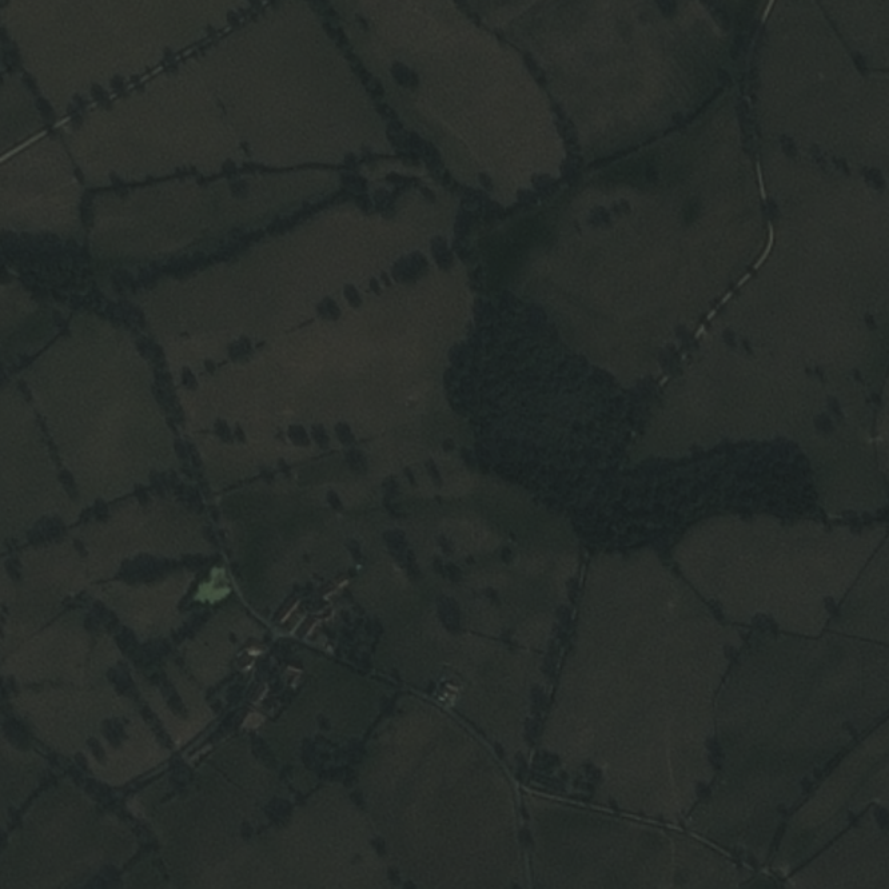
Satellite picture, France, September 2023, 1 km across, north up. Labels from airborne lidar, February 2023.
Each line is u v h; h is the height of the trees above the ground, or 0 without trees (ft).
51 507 0
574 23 0
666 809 0
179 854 0
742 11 0
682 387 0
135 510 0
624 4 0
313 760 42
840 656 0
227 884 0
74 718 0
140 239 0
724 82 51
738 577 0
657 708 0
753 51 71
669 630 0
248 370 0
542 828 0
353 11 0
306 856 0
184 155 0
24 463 0
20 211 0
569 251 0
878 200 0
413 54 0
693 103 0
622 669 0
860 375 39
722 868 0
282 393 0
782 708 0
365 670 42
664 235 0
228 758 0
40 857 0
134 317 59
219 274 0
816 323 0
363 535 0
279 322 0
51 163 0
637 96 0
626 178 0
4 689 60
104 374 0
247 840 44
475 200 58
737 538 0
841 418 56
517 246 0
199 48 36
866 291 0
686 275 0
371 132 0
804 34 0
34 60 0
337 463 0
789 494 37
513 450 72
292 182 0
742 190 0
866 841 0
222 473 0
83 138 0
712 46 0
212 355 0
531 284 0
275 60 0
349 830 0
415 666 0
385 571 0
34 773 0
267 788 0
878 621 0
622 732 0
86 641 0
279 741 0
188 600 21
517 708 0
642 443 0
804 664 0
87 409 0
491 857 0
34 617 0
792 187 0
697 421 0
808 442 0
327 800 0
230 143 0
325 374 0
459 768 0
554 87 0
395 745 0
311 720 0
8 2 0
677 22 0
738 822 0
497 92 0
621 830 0
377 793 0
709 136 0
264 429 0
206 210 0
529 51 0
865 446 0
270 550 0
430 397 0
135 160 0
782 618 0
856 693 0
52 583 0
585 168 27
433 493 0
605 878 0
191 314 0
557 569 0
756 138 45
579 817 0
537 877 0
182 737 0
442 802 0
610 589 0
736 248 0
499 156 0
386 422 0
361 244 0
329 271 0
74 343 0
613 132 0
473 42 0
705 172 0
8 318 0
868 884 0
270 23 0
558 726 0
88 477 0
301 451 0
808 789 44
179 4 0
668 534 34
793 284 0
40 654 0
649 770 0
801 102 0
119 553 0
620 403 42
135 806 0
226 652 0
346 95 0
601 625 0
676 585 0
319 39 0
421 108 0
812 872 0
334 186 0
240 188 56
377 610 0
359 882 0
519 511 0
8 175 0
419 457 0
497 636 0
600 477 20
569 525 0
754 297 0
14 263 64
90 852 0
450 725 0
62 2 0
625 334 0
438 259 64
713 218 0
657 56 0
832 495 0
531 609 0
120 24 0
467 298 0
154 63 0
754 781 0
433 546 0
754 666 0
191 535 0
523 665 0
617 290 0
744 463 21
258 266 0
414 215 0
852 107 0
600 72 0
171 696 70
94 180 0
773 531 0
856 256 0
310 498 0
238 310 0
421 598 0
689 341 67
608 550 46
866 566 0
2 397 0
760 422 0
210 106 0
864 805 0
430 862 0
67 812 0
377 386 0
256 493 0
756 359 0
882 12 0
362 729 0
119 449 0
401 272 48
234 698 48
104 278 0
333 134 0
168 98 0
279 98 0
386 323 0
